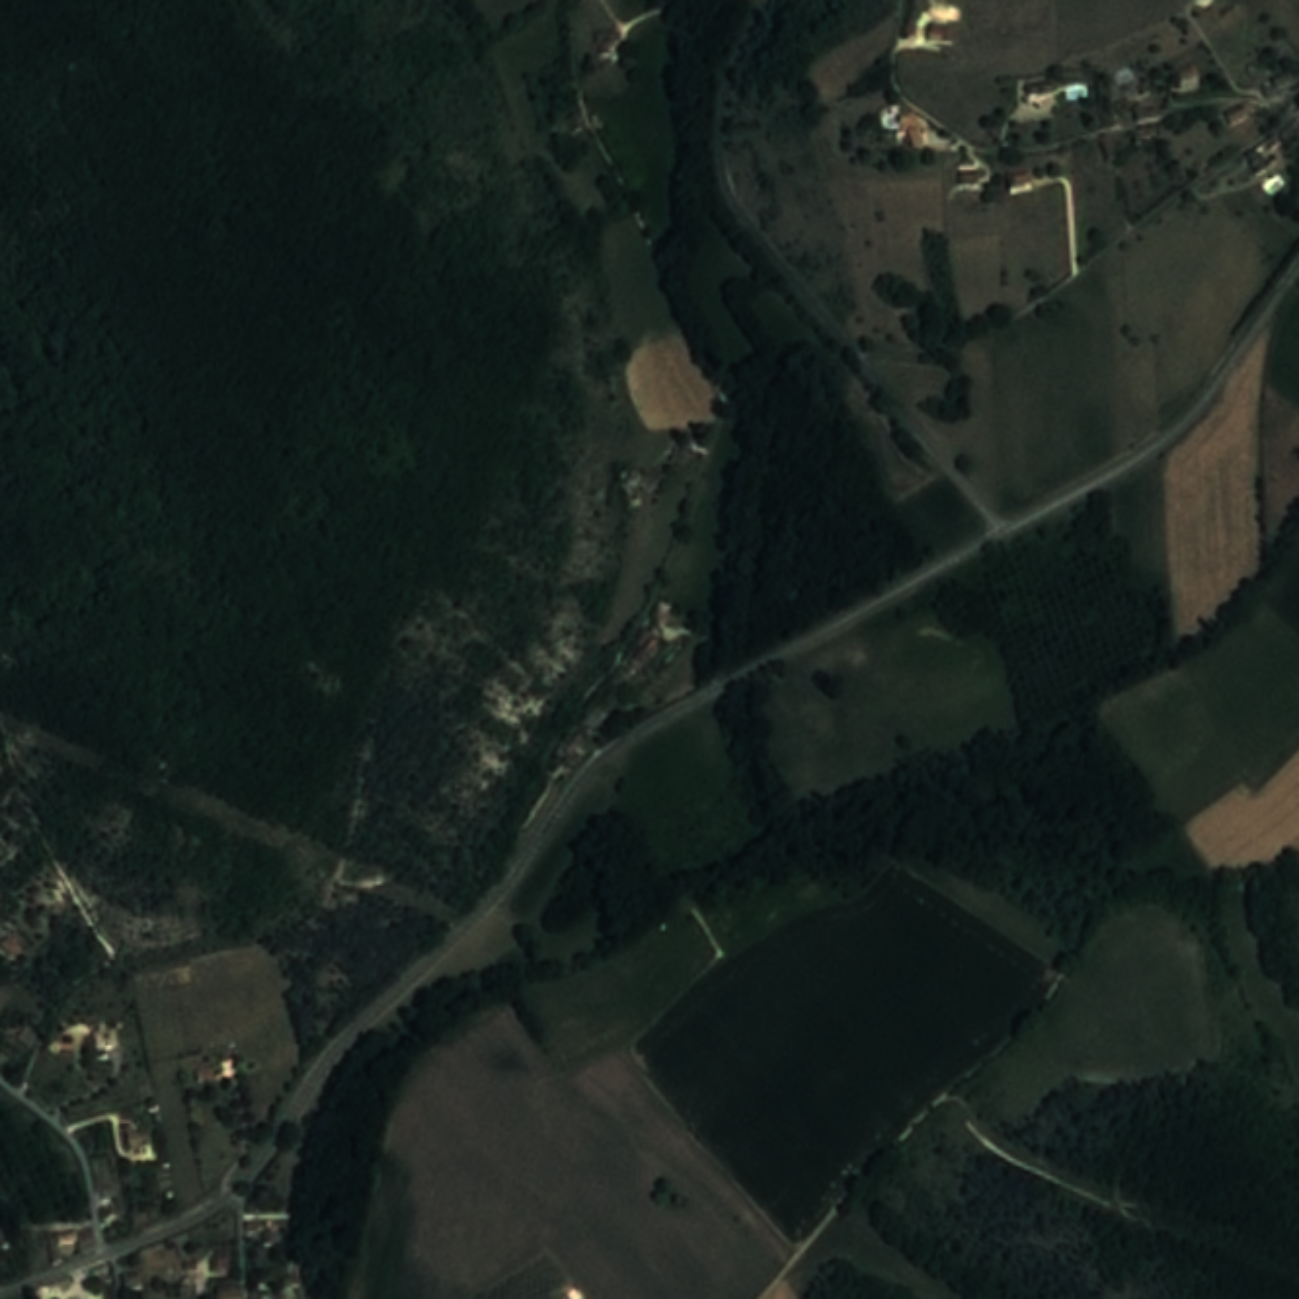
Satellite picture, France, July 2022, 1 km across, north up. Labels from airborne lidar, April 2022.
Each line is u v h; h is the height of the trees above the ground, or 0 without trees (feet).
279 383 41
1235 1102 22
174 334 40
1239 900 0
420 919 45
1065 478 0
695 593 0
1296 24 0
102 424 36
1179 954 0
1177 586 0
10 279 25
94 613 30
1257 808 0
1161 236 0
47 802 34
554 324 33
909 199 0
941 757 35
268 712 55
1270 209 26
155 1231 0
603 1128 0
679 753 0
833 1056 0
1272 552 35
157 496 22
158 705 24
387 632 35
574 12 29
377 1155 51
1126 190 22
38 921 32
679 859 0
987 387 0
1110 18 0
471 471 48
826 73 0
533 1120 0
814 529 102
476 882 25
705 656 44
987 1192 24
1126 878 65
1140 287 0
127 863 21
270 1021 0
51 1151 17
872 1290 47
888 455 0
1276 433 0
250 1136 35
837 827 83
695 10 64
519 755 24
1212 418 0
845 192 0
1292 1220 43
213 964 0
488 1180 0
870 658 0
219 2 37
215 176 41
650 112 0
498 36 24
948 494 0
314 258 80
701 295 0
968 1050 0
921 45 0
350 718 35
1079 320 0
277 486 50
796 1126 0
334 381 40
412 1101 0
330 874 0
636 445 0
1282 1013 0
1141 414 0
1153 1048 0
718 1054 0
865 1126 0
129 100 42
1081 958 38
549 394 27
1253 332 0
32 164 28
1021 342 0
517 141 0
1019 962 0
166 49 45
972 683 0
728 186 0
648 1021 0
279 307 54
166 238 40
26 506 26
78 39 54
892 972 0
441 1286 0
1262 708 0
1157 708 0
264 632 51
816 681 0
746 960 0
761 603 57
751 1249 0
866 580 72
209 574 37
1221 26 0
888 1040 0
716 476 0
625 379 0
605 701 24
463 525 29
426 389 64
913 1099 0
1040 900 43
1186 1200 32
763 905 0
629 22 0
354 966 73
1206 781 0
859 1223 0
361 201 57
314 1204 66
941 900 0
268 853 22
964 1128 0
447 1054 0
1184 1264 22
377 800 29
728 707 63
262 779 46
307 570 46
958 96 0
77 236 28
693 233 64
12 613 39
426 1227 0
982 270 0
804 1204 0
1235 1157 41
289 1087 23
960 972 0
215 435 45
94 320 31
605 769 0
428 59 38
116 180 40
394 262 50
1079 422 0
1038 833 43
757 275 35
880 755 0
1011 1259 38
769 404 62
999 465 0
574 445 0
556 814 0
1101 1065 0
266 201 64
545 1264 0
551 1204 0
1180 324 0
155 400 44
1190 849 0
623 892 85
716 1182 0
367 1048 70
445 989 54
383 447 21
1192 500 0
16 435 52
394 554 39
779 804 74
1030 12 0
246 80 64
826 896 0
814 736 0
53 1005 18
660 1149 0
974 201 0
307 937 33
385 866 22
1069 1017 0
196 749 41
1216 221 0
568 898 27
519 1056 0
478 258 43
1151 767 0
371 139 19
